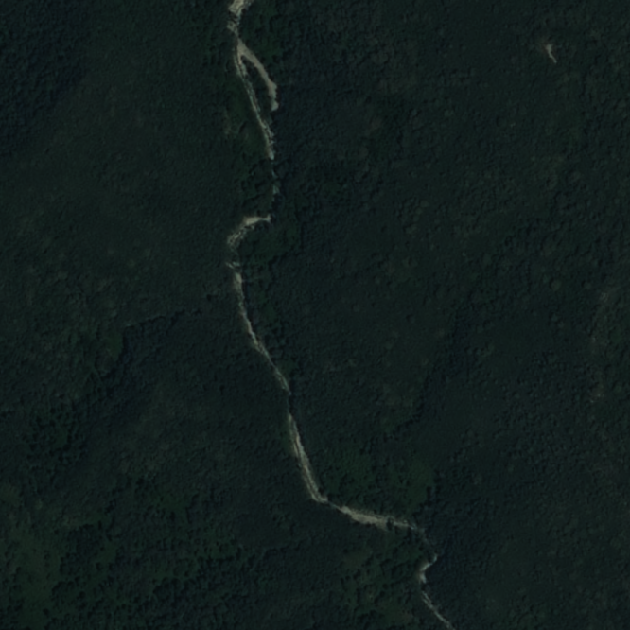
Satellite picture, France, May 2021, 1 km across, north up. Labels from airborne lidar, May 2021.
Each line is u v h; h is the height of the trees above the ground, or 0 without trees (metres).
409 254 8
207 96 17
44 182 7
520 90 9
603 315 8
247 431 19
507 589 6
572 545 11
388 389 12
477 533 18
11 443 22
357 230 9
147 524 11
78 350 18
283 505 18
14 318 14
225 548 13
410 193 6
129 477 15
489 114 8
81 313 12
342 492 12
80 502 9
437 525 20
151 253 11
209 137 18
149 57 15
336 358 15
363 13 15
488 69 8
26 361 21
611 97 9
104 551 11
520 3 7
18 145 14
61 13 18
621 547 6
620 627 16
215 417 10
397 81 14
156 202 16
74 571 20
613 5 10
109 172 12
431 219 7
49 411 13
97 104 6
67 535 13
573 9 16
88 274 12
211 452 14
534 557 6
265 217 17
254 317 23
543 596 7
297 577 13
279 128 23
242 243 10
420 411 18
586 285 15
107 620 9
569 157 13
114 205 8
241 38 9
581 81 6
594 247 6
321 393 11
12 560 14
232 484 21
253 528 15
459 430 6
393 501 15
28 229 11
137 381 16
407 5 8
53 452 17
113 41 10
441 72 6
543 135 12
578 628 11
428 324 6
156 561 12
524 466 6
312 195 15
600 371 13
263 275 17
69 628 12
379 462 17
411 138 8
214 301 23
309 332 10
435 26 7
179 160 11
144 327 25
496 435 12
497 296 7
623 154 11
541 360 6
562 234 9
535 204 7
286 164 21
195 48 16
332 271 13
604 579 12
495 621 8
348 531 22
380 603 18
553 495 9
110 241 10
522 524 10
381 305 7
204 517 12
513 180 10
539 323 6
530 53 11
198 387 18
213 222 14
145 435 8
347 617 23
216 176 13
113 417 14
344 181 11
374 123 14
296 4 8
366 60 18
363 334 7
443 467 6
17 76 15
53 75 16
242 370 16
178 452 12
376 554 8
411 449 7
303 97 21
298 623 21
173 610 9
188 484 17
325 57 15
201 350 20
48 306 10
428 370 9
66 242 9
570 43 8
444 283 6
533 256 10
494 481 10
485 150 8
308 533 18
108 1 13
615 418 9
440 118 8
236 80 8
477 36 7
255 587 18
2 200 13
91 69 9
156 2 13
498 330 7
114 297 10
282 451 12
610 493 11
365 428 17
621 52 10
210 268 10
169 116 11
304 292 10
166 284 13
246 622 13
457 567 16
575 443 6
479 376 7
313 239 17
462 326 12
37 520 10
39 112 18
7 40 20
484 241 7
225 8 23
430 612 16
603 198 10
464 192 10
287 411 14
